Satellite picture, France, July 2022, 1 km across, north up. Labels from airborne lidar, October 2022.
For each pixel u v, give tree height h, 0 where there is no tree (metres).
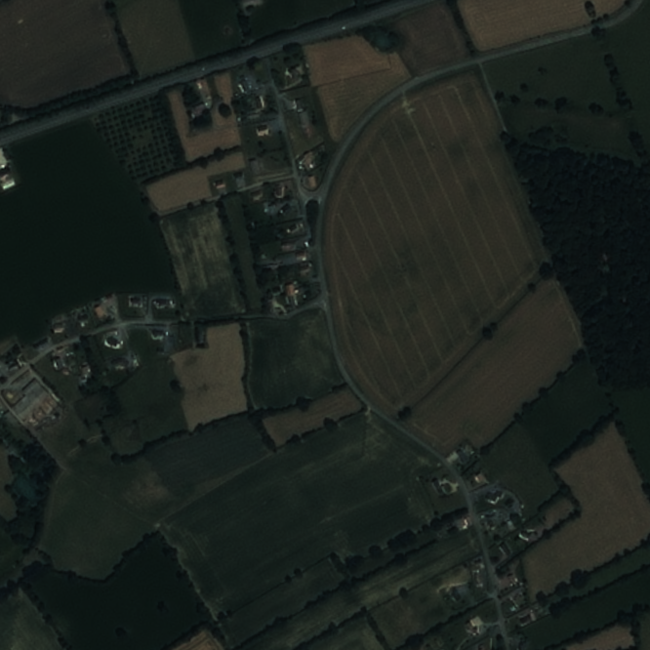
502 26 0
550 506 9
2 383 8
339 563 13
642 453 0
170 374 0
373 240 0
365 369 0
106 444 11
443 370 0
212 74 6
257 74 0
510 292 0
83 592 0
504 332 0
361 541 0
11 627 0
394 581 0
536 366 0
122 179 0
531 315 0
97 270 0
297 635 0
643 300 23
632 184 21
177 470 0
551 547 0
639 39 0
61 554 0
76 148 0
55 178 0
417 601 0
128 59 10
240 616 0
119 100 0
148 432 0
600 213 26
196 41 0
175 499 0
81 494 0
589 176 23
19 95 0
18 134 0
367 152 0
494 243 0
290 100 0
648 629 0
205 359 0
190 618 0
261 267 14
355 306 0
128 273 0
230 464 0
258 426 14
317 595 0
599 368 17
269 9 0
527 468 0
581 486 0
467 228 0
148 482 0
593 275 25
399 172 0
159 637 0
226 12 0
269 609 0
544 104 18
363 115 0
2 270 0
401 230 0
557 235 25
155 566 0
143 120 6
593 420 0
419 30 0
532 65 0
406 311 0
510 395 0
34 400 0
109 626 0
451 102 0
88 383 12
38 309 0
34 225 0
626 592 0
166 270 0
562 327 0
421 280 0
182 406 0
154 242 0
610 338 22
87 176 0
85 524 0
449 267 0
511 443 0
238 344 0
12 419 0
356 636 0
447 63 0
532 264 0
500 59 0
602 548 0
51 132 0
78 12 0
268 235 6
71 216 0
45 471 8
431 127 0
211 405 0
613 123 0
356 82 0
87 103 10
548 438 0
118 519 0
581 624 0
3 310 0
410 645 17
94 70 0
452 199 0
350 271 0
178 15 0
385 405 0
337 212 0
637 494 0
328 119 0
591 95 0
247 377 6
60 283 0
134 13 0
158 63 0
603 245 26
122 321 0
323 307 0
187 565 0
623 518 0
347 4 0
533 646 0
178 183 0
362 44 0
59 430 0
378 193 0
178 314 10
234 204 0
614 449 0
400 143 0
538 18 0
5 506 0
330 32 0
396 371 0
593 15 15
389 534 0
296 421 0
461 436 0
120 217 0
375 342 0
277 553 0
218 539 0
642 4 0
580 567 0
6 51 0
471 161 0
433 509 0
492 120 0
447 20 0
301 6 0
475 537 0
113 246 0
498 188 0
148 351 0
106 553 0
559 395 0
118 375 0
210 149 0
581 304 18
